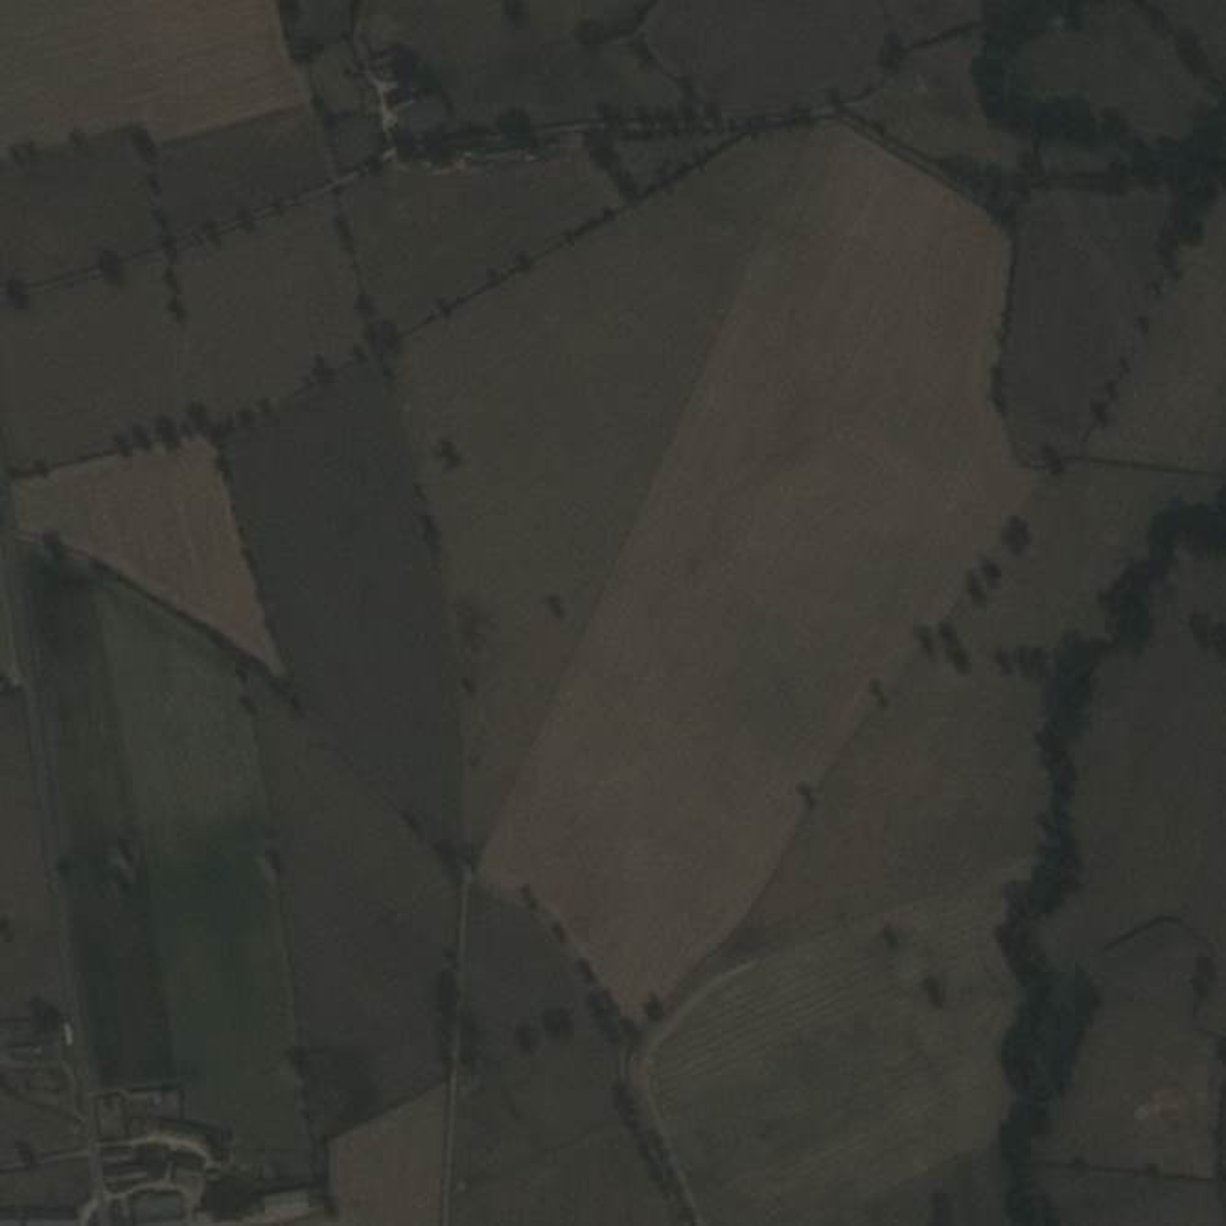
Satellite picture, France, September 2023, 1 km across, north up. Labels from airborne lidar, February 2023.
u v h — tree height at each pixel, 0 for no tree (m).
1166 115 0
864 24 0
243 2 0
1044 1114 21
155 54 0
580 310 0
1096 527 0
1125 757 0
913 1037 0
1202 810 0
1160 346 0
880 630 0
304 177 0
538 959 0
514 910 0
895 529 0
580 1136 0
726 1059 0
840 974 0
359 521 0
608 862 0
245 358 0
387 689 0
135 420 0
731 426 0
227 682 0
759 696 0
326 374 14
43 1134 0
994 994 0
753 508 0
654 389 0
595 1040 0
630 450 0
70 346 0
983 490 0
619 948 0
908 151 0
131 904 0
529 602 0
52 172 0
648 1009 9
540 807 0
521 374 0
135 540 0
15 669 0
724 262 0
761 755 0
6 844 0
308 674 0
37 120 0
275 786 0
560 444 0
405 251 0
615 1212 0
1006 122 17
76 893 0
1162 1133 0
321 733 0
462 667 0
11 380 0
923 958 0
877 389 0
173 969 0
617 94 0
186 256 0
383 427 0
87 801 0
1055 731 15
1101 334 0
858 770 0
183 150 0
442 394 0
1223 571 0
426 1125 0
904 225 0
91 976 0
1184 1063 0
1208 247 0
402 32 0
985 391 0
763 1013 0
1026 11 20
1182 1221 0
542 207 0
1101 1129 0
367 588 0
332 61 0
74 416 0
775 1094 0
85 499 0
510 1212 0
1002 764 0
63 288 0
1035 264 0
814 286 0
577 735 0
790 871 0
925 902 0
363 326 0
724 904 0
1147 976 0
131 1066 0
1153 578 11
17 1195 0
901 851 0
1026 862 0
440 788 0
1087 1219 0
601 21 0
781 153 0
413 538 0
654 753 0
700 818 0
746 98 0
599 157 21
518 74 0
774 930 0
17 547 0
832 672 0
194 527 0
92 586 0
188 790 0
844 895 0
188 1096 0
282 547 0
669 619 0
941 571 0
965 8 0
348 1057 0
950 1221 9
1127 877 0
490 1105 0
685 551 0
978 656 0
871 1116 0
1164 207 0
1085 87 0
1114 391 10
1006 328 8
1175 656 0
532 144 17
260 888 0
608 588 0
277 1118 0
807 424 0
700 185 0
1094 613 0
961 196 0
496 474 0
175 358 0
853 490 0
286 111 0
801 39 0
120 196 0
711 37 0
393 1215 0
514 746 0
